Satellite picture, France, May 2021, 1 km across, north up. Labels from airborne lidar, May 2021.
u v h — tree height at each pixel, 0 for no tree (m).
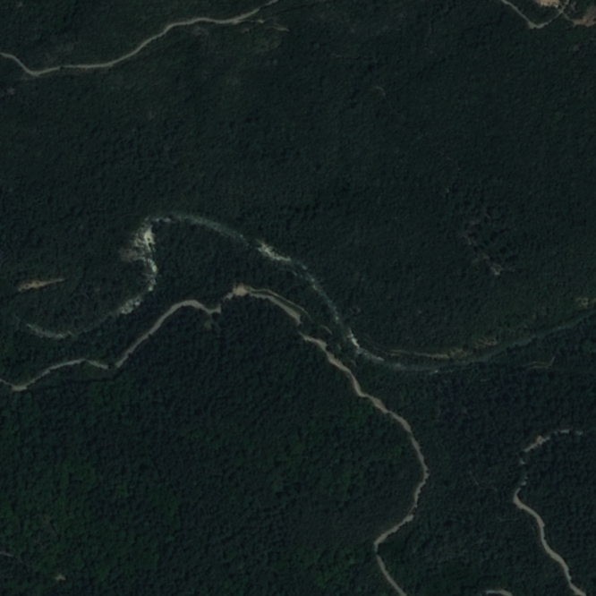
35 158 15
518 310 16
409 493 10
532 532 13
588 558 9
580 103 16
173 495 18
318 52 9
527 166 13
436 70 15
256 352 17
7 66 10
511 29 15
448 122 11
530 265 13
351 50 8
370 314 12
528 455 22
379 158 15
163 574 22
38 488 16
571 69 13
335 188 24
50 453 20
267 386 22
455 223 18
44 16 10
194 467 20
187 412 25
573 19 10
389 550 24
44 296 15
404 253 14
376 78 14
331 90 11
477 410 23
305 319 12
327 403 13
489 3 13
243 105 9
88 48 11
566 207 17
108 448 20
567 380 13
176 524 19
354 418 14
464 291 15
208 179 12
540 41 13
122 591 19
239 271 7
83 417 12
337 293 11
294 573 13
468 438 18
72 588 8
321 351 12
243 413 24
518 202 16
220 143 12
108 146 28
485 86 11
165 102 12
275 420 19
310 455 15
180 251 13
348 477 14
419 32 11
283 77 12
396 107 11
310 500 11
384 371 13
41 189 21
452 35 18
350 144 13
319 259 5
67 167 14
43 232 23
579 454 28
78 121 15
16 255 28
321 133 11
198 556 13
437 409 16
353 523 11
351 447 10
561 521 15
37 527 14
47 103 10
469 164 12
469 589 20
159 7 13
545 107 11
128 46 8
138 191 15
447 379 8
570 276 19
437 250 15
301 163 11
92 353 12
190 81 21
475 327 13
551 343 13
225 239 8
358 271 6
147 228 0
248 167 9
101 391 12
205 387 21
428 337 14
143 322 11
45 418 8
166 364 11
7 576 8
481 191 17
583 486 24
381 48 17
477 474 12
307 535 14
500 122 15
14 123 18
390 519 11
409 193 13
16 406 12
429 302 19
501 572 21
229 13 11
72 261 14
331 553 21
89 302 25
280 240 8
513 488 14
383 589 7
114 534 12
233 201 11
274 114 10
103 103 10
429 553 13
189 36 6
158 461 25
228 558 28
